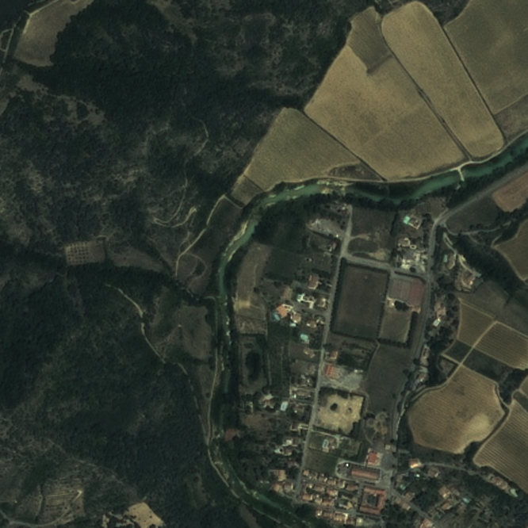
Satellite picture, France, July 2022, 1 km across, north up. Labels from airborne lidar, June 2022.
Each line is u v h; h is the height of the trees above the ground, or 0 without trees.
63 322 7
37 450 7
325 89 0
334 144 0
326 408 0
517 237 0
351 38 0
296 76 7
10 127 17
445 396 0
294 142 0
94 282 7
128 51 8
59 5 0
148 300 9
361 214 0
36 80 6
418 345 0
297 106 7
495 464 0
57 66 11
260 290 12
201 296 7
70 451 7
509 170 9
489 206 0
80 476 7
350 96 0
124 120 9
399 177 0
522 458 0
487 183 10
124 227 10
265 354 8
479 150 0
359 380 0
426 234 6
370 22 0
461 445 0
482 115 0
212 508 8
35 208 10
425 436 0
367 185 6
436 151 0
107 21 10
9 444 9
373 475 0
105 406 8
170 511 9
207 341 0
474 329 0
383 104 0
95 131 6
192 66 11
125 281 10
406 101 0
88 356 6
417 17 0
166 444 12
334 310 9
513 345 0
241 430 13
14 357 10
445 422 0
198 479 8
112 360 6
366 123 0
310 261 0
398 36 0
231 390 8
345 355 6
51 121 9
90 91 9
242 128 9
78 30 15
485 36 0
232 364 13
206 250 0
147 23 10
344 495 7
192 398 7
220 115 7
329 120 0
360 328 0
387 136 0
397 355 0
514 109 0
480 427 0
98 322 8
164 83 10
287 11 7
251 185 0
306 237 6
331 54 9
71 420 8
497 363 0
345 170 0
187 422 7
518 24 0
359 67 0
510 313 0
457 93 0
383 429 0
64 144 11
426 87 0
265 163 0
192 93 13
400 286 0
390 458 0
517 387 8
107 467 6
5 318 11
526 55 0
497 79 0
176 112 6
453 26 0
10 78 0
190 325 0
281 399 7
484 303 0
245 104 12
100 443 6
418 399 0
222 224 0
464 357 0
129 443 14
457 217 0
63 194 7
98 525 10
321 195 15
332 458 0
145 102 9
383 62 0
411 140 0
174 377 7
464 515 0
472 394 0
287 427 9
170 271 7
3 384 11
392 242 0
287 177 0
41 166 7
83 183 8
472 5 0
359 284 0
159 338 0
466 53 0
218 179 8
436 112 0
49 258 14
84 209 10
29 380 6
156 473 11
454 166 0
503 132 0
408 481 8
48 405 11
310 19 6
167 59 8
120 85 11
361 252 0
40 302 12
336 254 9
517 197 0
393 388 0
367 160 0
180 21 0
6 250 13
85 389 9
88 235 12
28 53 0
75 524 6
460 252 11
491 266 9
